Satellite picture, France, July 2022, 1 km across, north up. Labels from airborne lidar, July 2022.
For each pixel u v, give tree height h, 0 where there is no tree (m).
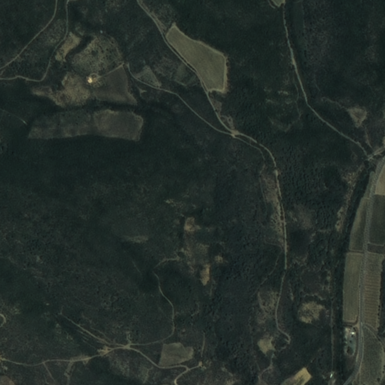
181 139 6
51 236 6
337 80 6
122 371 0
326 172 6
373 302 0
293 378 0
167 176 5
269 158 9
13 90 5
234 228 7
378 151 0
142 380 0
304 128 6
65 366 0
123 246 8
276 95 7
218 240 7
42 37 0
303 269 7
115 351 0
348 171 10
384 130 6
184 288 6
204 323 6
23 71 7
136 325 6
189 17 9
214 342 6
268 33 9
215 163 6
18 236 0
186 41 0
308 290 12
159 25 0
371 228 0
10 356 0
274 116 6
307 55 9
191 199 7
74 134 0
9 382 0
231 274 7
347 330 0
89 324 9
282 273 10
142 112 7
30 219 6
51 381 0
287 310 6
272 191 0
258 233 6
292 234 7
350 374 0
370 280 0
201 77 0
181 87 6
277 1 0
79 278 9
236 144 0
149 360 0
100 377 0
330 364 7
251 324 6
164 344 0
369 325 0
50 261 6
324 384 8
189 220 0
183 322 13
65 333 7
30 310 6
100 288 9
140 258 6
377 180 0
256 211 7
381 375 0
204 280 0
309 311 0
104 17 5
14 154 11
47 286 7
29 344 0
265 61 5
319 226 12
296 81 0
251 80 6
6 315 0
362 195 8
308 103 7
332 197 7
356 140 9
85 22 8
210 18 6
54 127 0
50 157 6
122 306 8
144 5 0
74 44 0
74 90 0
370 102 6
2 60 7
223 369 0
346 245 7
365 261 0
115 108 6
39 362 0
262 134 8
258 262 7
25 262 7
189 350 0
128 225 0
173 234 12
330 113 6
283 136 6
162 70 0
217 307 10
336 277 6
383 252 0
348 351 9
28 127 6
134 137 0
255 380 8
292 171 12
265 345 0
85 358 0
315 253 16
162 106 6
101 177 5
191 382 0
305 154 6
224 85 0
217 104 0
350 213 7
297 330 6
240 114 12
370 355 0
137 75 0
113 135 0
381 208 0
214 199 6
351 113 0
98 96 0
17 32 6
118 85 0
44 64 6
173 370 0
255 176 7
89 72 0
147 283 6
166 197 5
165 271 6
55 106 6
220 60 0
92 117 0
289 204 10
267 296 0
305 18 6
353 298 0
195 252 0
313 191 14
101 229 5
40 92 0
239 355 10
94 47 0
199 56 0
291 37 7
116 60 0
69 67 6
